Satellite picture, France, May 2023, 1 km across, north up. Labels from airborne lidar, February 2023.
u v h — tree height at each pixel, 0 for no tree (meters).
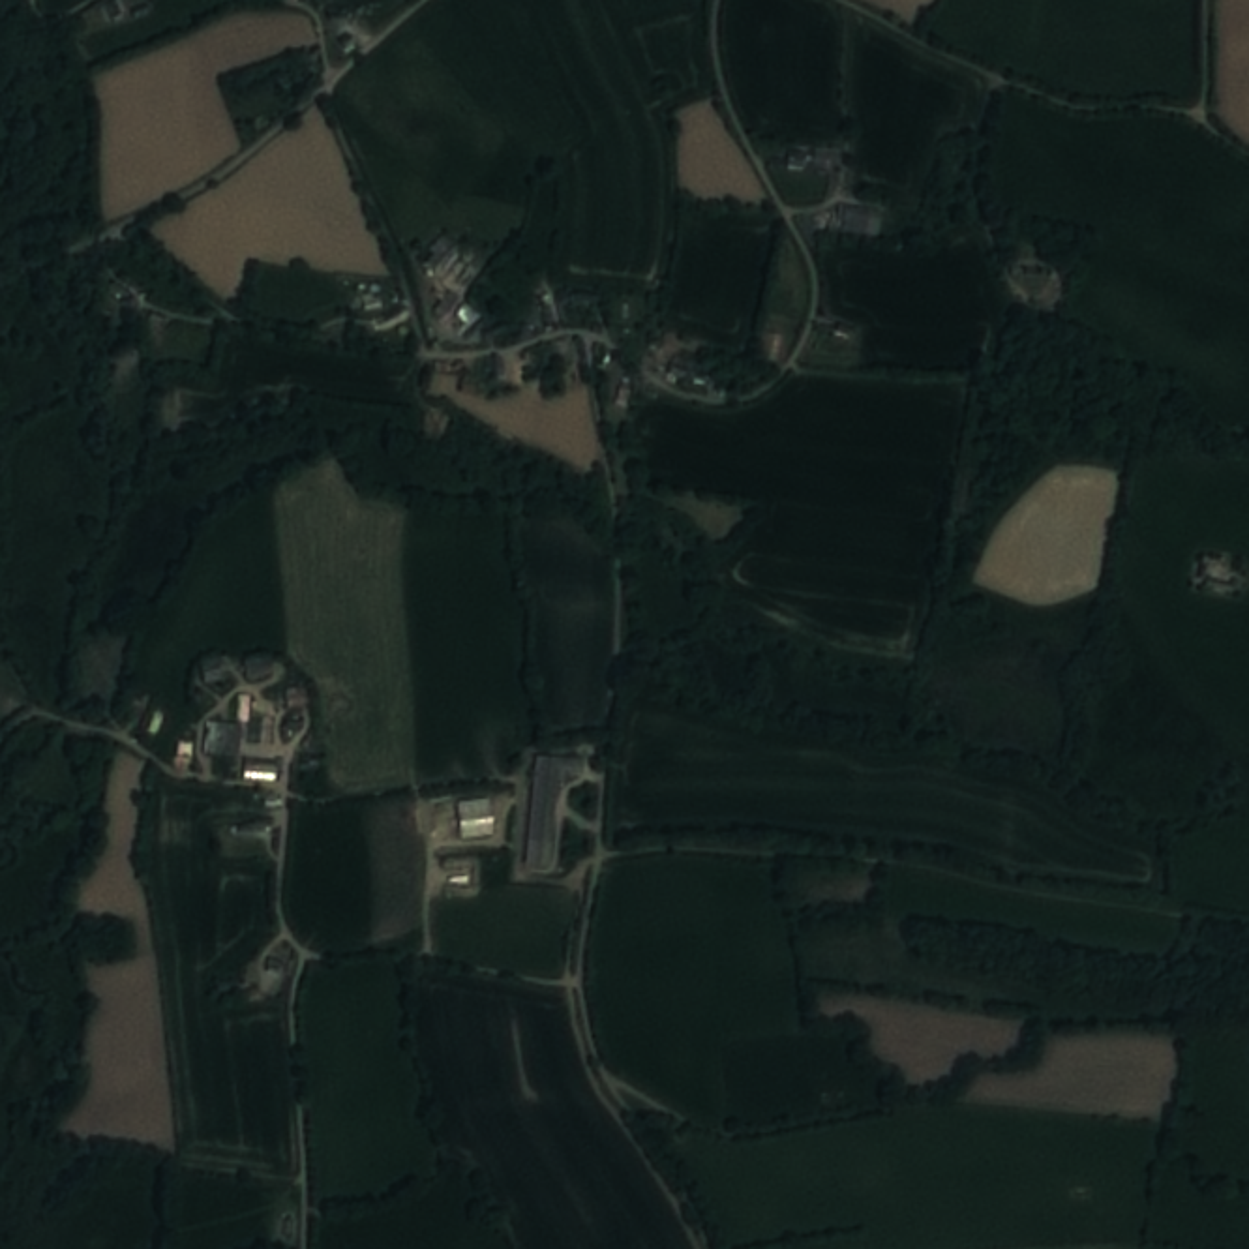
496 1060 0
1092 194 0
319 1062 0
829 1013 0
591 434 0
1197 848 0
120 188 0
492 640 0
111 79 0
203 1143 0
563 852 5
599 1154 0
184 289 9
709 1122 0
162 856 0
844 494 0
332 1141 0
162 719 0
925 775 0
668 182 0
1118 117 6
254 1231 0
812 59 0
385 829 0
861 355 0
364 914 0
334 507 0
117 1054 0
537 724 8
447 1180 9
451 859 0
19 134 31
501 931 0
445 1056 0
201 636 0
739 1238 0
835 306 0
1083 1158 0
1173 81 0
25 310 0
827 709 0
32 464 0
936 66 0
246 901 0
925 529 0
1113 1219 0
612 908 0
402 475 0
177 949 0
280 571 0
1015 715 0
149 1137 0
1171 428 18
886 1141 0
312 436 19
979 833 0
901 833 0
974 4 0
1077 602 0
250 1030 0
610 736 14
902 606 0
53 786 0
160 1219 16
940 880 0
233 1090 0
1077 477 0
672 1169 13
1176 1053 14
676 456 0
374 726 0
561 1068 0
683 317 0
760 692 13
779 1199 0
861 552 0
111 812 0
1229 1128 0
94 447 24
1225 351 0
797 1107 0
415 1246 0
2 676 0
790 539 0
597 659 0
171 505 0
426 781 0
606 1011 0
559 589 0
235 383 0
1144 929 0
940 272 0
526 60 0
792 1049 0
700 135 0
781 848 19
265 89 12
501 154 0
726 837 14
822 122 0
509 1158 0
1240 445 18
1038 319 7
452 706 0
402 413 9
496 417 0
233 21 0
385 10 0
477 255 0
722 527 0
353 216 0
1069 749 9
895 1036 0
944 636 10
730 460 0
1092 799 17
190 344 0
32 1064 0
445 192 0
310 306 0
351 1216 16
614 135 0
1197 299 0
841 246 13
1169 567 0
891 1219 0
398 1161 0
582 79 0
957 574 15
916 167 0
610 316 6
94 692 0
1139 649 0
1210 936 18
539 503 19
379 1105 0
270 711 0
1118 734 0
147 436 17
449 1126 0
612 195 0
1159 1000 21
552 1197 0
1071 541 0
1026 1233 0
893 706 0
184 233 0
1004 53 0
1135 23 0
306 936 0
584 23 0
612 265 0
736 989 0
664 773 0
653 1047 0
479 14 0
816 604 0
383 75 0
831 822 0
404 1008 13
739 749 0
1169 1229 0
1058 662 0
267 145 0
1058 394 21
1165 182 0
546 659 0
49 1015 8
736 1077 0
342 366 0
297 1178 0
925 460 0
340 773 0
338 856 0
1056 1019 0
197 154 0
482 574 0
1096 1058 0
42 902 0
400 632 0
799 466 0
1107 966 19
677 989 0
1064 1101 0
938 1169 0
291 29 0
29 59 11
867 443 0
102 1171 17
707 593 16
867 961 0
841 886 0
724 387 6
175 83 0
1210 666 0
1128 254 0
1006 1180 0
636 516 10
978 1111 0
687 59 0
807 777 0
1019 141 0
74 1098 16
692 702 7
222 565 0
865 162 0
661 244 0
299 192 0
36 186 15
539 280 7
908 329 0
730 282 0
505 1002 0
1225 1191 16
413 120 0
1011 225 10
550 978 0
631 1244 0
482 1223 11
